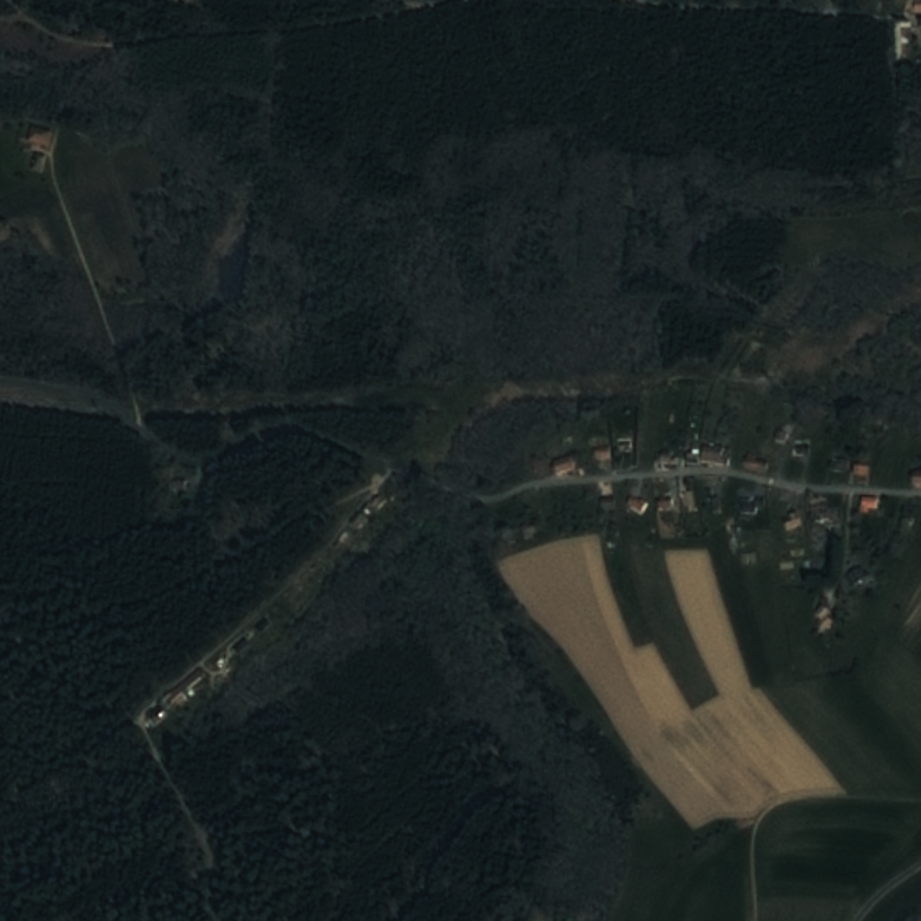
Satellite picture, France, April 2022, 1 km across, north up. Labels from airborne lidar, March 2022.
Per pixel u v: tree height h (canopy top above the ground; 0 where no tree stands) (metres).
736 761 0
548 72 9
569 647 0
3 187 0
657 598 0
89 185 0
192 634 23
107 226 0
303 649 15
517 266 15
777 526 0
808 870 0
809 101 12
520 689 18
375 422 14
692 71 9
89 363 11
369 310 23
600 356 17
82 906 13
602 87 13
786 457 0
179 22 14
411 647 10
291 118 15
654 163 28
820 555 0
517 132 15
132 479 20
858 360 7
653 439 0
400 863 8
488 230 15
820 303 21
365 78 16
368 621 26
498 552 17
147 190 0
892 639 0
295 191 12
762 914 0
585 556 0
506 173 13
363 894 13
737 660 0
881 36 12
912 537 0
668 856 0
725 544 0
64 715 32
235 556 25
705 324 10
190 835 19
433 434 0
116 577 22
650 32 9
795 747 0
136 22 14
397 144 14
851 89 12
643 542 0
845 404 9
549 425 23
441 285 16
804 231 0
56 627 27
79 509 19
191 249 22
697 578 0
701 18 14
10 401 0
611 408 7
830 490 0
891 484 0
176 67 20
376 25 12
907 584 0
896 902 0
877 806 0
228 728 15
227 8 18
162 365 24
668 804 0
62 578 22
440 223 9
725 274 15
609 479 0
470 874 25
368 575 29
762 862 0
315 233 9
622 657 0
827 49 15
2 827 27
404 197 18
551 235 12
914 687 0
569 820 27
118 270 0
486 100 14
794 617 0
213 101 10
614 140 12
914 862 0
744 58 14
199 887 12
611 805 23
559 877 26
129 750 33
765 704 0
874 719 0
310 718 7
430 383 20
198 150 21
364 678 8
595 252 18
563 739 19
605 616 0
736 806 0
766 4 14
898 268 0
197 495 0
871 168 13
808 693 0
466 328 21
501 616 26
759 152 6
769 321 0
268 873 30
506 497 0
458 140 15
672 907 0
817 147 14
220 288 0
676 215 8
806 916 0
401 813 9
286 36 12
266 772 13
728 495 0
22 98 12
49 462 19
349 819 18
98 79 23
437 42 10
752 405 0
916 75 14
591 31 11
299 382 15
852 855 0
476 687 18
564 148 12
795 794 0
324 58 12
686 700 0
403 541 22
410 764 15
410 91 14
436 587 20
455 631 17
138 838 32
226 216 15
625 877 10
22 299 17
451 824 16
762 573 0
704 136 12
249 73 19
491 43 14
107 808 25
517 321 26
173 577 22
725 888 0
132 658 32
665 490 0
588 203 19
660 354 20
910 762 0
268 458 27
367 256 17
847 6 10
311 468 28
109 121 19
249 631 0
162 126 22
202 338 34
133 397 20
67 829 24
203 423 18
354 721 8
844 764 0
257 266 19
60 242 0
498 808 29
